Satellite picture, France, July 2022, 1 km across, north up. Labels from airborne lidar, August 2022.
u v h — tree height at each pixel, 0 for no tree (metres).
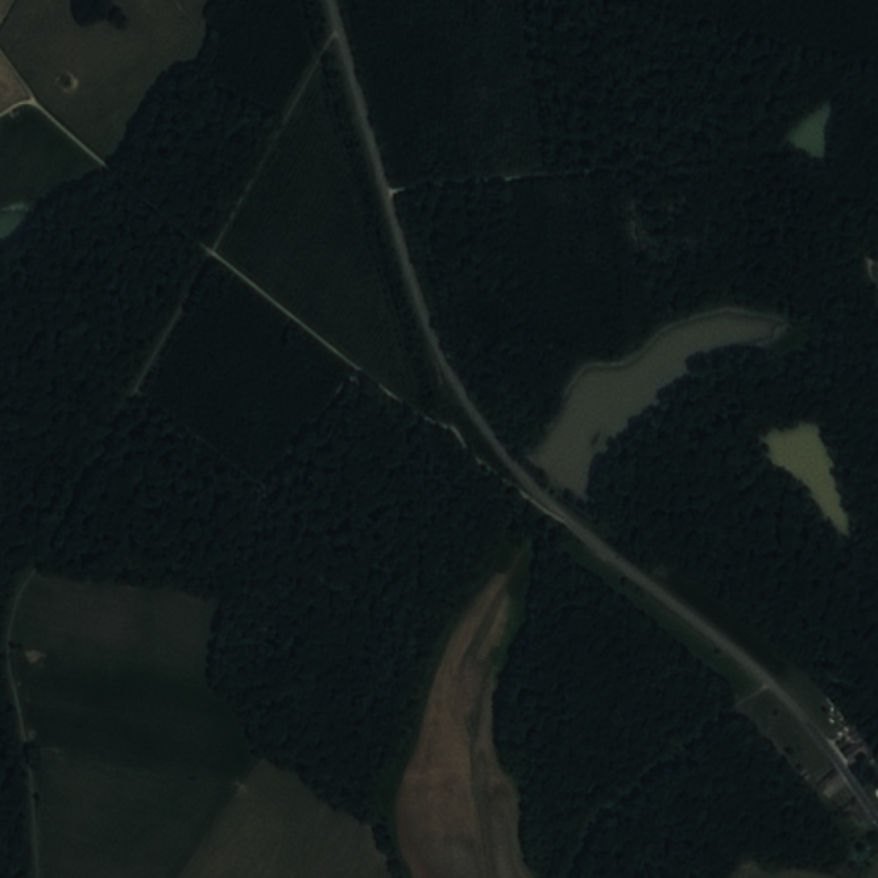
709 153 18
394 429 27
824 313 16
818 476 0
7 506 21
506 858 0
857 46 14
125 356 21
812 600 20
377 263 7
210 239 17
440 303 13
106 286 24
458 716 0
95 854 0
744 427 26
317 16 16
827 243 22
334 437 23
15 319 28
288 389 7
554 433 0
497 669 0
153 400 8
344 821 0
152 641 0
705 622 0
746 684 0
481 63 6
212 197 15
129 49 0
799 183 23
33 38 0
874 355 21
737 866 14
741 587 27
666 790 24
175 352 9
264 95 9
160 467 24
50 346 24
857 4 14
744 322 0
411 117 6
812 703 0
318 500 24
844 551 18
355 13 10
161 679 0
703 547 21
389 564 19
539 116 7
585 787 19
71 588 0
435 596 22
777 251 23
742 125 21
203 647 0
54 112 0
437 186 15
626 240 21
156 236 23
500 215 16
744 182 17
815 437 0
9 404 14
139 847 0
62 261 21
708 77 14
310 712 18
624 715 24
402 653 28
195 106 29
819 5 12
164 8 0
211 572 20
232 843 0
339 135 6
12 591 23
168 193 24
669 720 18
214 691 10
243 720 10
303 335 12
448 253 28
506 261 19
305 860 0
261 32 10
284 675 29
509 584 0
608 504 23
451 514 23
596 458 0
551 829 20
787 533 27
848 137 16
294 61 10
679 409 21
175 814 0
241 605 23
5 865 17
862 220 23
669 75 20
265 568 27
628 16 17
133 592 0
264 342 8
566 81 19
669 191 17
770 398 21
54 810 0
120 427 19
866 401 25
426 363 12
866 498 20
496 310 15
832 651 26
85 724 0
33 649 0
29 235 20
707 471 24
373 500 24
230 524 25
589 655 22
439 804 0
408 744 10
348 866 0
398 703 20
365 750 23
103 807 0
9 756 21
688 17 15
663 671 23
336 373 9
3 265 28
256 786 0
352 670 22
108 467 25
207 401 8
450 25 7
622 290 21
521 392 18
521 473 0
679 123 15
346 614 26
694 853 29
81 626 0
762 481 21
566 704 21
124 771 0
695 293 18
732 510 23
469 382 13
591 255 14
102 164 0
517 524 16
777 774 21
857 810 0
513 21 5
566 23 24
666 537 28
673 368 0
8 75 0
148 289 21
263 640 20
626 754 24
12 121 0
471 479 20
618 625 21
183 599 0
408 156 10
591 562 0
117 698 0
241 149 22
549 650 25
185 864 0
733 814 20
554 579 24
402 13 9
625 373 0
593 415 0
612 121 20
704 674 18
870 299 21
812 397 19
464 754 0
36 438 25
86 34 0
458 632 0
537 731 26
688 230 18
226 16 11
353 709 21
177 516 26
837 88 14
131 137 13
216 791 0
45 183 0
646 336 8
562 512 0
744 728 20
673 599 0
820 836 21
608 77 16
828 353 22
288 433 7
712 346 0
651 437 20
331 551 25
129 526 22
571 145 20
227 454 7
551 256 17
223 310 8
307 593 25
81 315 31
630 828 24
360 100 0
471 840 0
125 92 0
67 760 0
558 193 15
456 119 6
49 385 17
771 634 18
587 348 13
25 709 0
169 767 0
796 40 15
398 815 0
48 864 0
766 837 21
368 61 10
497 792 0
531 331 17
